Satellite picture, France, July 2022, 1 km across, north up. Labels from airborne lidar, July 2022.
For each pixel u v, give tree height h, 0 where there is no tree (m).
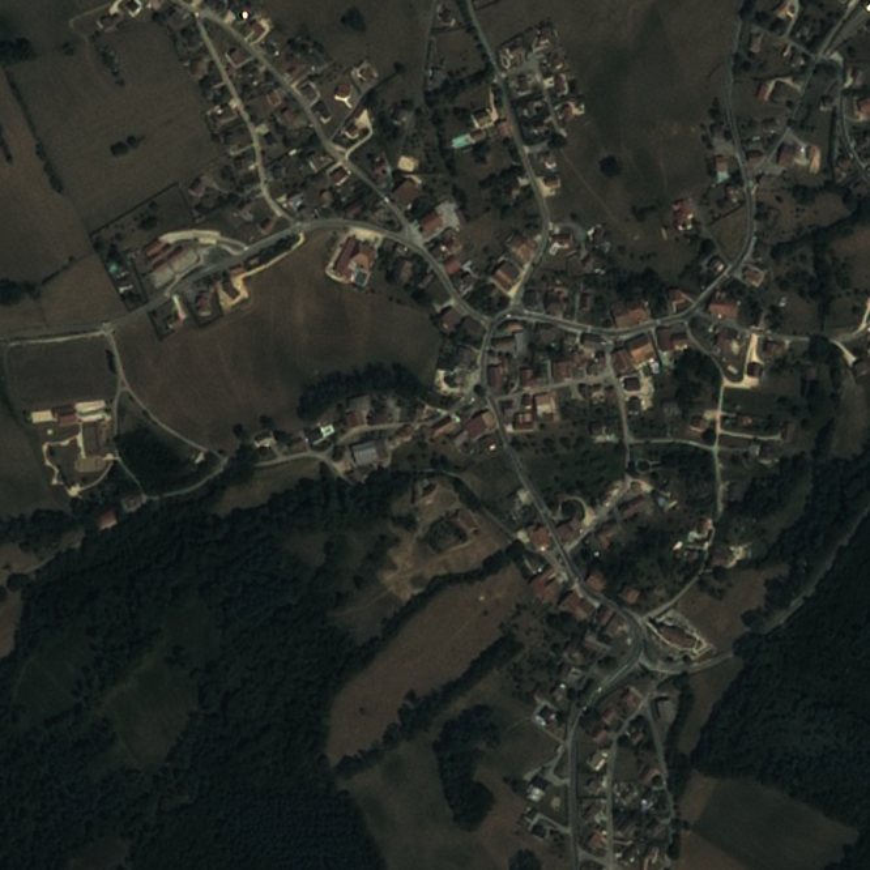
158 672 0
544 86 0
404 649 0
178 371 0
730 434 0
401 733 23
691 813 0
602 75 0
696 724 0
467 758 28
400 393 21
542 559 5
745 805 0
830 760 11
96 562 10
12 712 20
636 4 0
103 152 0
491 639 0
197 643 0
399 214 0
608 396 0
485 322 0
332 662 8
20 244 0
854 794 26
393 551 0
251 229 0
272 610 20
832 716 24
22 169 0
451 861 0
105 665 21
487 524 0
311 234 0
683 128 0
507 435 0
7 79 0
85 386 0
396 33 0
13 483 0
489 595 0
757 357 0
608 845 0
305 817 20
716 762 25
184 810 15
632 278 8
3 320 0
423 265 6
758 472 0
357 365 0
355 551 0
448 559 0
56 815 20
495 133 0
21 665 21
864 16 0
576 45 0
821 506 21
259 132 0
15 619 0
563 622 10
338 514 19
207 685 17
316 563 0
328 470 13
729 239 0
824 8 6
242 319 0
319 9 0
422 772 0
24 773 22
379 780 0
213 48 0
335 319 0
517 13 0
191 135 0
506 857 0
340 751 0
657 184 0
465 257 0
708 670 0
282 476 0
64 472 6
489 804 19
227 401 0
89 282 0
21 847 21
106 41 0
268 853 19
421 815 0
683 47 0
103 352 0
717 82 0
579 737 0
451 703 24
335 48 0
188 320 0
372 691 0
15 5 0
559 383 0
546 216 0
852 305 0
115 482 13
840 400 11
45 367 0
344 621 0
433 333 0
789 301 0
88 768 22
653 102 0
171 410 0
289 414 0
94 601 25
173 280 0
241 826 18
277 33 0
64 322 0
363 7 0
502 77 0
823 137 0
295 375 0
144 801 11
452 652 0
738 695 22
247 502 0
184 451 0
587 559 17
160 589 21
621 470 0
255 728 12
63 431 0
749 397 0
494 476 0
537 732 0
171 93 0
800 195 11
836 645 6
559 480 9
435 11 0
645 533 17
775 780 20
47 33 0
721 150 0
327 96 0
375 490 18
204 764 15
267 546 22
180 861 15
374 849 17
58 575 15
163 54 0
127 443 6
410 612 8
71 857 20
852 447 0
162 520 6
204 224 0
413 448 0
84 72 0
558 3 0
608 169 19
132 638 10
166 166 0
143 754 0
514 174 11
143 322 0
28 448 0
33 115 0
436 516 0
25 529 18
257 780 19
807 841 0
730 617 0
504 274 0
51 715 0
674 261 0
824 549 28
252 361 0
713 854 0
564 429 0
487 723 28
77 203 0
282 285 0
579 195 0
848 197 13
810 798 23
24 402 0
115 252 9
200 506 15
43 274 0
